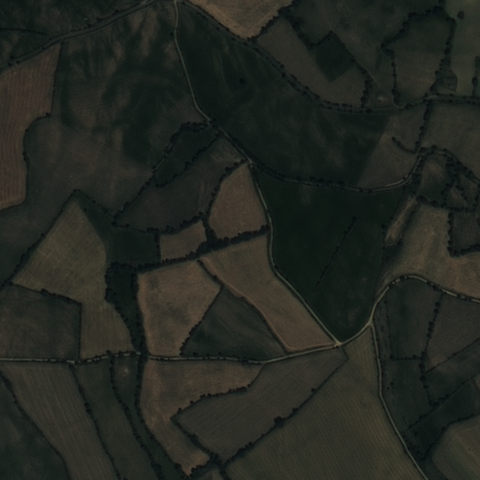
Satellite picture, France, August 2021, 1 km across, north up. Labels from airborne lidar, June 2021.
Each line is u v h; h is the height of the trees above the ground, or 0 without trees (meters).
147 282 0
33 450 0
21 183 0
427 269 0
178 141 11
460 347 0
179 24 0
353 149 0
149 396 0
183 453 0
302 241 0
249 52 0
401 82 0
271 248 0
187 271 0
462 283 0
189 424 0
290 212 0
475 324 0
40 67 0
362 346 0
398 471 0
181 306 0
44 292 13
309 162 0
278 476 0
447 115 0
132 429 6
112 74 0
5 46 0
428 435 0
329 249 0
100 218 0
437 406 12
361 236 0
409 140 0
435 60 0
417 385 0
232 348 0
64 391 0
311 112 0
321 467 0
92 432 0
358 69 8
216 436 0
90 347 0
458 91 0
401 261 0
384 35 0
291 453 0
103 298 0
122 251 0
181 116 0
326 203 0
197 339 0
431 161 0
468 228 0
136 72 0
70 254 0
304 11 0
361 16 0
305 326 0
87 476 0
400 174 0
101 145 0
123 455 0
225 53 0
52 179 0
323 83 0
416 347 0
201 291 0
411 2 0
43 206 0
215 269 0
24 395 0
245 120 0
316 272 0
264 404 0
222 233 0
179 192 0
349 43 0
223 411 0
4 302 0
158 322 0
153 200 0
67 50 0
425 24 0
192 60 0
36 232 0
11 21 0
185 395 0
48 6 0
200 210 0
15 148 0
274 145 0
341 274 0
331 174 0
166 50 0
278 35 0
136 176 0
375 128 0
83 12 0
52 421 0
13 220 0
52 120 0
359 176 0
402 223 0
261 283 0
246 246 0
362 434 0
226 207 0
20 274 0
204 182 0
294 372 0
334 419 0
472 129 0
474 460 0
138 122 0
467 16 0
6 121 0
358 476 0
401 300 0
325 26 0
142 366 12
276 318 0
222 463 9
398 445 0
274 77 0
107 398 0
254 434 0
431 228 0
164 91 0
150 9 0
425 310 0
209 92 0
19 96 0
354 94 0
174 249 0
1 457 0
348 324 0
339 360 0
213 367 0
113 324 0
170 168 0
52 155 0
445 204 8
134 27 0
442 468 0
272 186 0
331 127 0
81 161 0
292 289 0
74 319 0
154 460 7
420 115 0
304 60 0
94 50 0
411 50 0
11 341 0
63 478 0
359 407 0
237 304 0
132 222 0
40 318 0
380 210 0
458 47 0
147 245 0
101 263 0
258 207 0
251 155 9
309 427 0
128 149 0
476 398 0
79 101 0
